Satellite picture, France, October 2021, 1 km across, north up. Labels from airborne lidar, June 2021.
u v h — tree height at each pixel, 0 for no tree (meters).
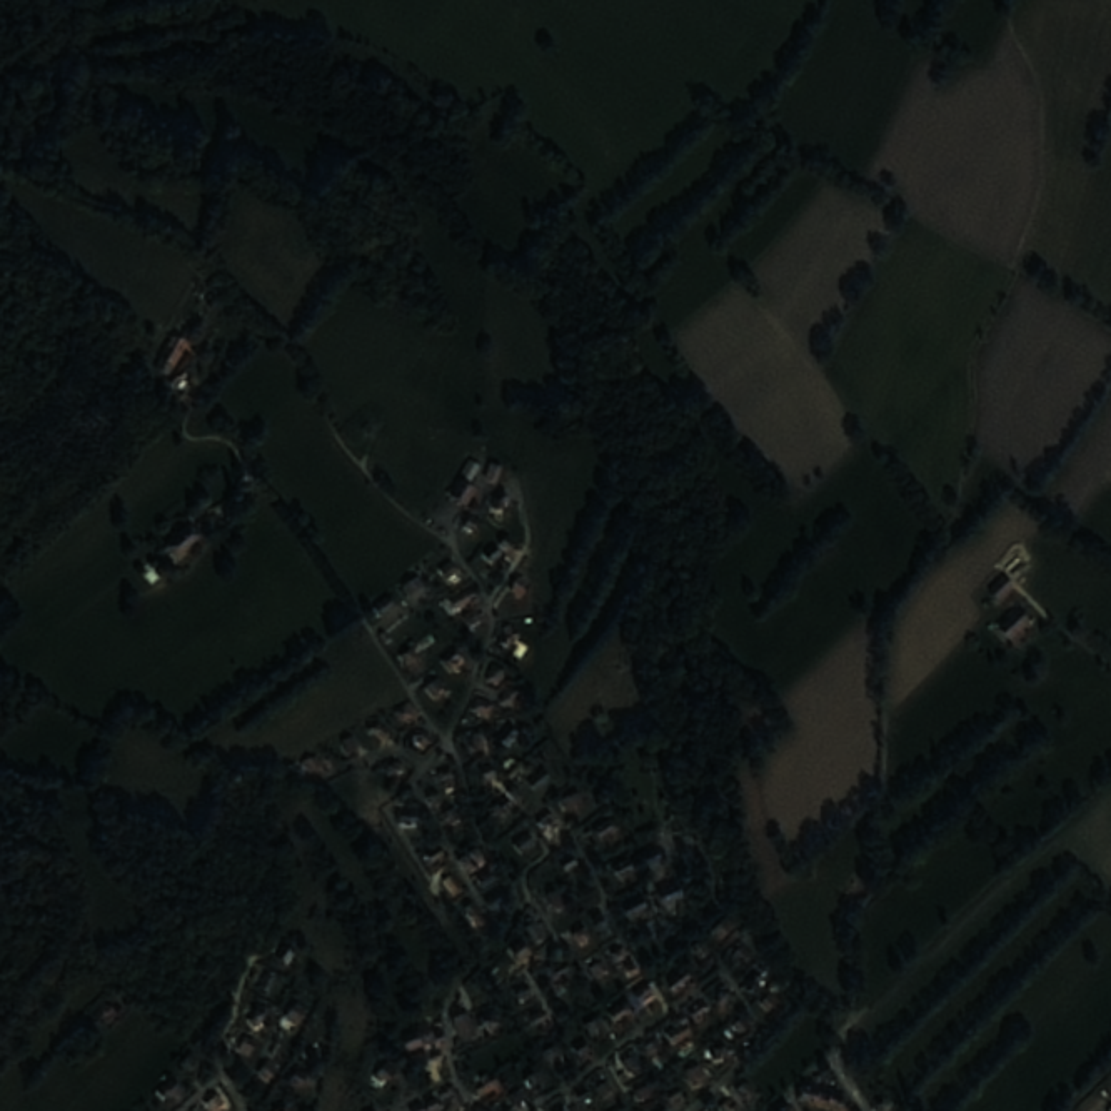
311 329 16
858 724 0
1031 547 0
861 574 0
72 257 0
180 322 0
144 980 14
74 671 0
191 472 0
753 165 15
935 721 0
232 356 7
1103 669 8
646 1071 7
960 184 0
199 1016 13
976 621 0
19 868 19
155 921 20
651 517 28
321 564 20
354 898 15
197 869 14
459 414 0
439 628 8
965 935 0
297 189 15
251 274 0
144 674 0
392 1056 18
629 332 12
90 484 14
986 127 0
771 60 0
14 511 24
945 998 16
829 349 15
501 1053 0
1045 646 0
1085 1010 0
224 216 19
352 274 22
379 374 0
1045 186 0
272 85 22
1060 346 0
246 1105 13
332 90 25
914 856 23
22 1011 21
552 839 0
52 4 18
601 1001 12
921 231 0
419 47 0
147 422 21
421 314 19
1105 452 0
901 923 0
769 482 19
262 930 14
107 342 16
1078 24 0
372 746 0
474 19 0
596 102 0
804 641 0
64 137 15
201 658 0
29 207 0
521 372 0
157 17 27
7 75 16
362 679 0
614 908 7
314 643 12
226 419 14
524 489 0
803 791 0
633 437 22
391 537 0
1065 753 0
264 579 0
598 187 0
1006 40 0
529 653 0
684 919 6
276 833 17
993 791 22
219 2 22
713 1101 9
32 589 0
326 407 16
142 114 9
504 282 19
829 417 0
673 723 28
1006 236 0
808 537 0
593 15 0
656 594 28
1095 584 0
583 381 30
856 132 0
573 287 23
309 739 0
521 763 7
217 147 0
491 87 0
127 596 13
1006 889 0
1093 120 0
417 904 14
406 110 23
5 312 15
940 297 0
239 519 20
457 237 19
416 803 15
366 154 21
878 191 9
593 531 17
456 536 0
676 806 23
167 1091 0
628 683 0
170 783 0
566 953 13
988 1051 0
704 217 12
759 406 0
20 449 20
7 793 18
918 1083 9
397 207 25
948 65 16
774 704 21
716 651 13
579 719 0
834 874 0
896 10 23
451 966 17
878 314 0
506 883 17
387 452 0
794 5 0
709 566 13
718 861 19
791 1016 19
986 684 0
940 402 0
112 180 0
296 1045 7
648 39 0
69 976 13
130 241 0
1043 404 0
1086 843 0
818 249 0
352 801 0
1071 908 0
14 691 20
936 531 11
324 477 0
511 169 0
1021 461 0
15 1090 0
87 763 11
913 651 0
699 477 27
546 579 0
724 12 0
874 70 0
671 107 0
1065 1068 0
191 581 0
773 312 0
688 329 0
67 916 16
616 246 18
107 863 20
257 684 11
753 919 25
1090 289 0
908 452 0
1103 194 0
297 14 0
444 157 20
